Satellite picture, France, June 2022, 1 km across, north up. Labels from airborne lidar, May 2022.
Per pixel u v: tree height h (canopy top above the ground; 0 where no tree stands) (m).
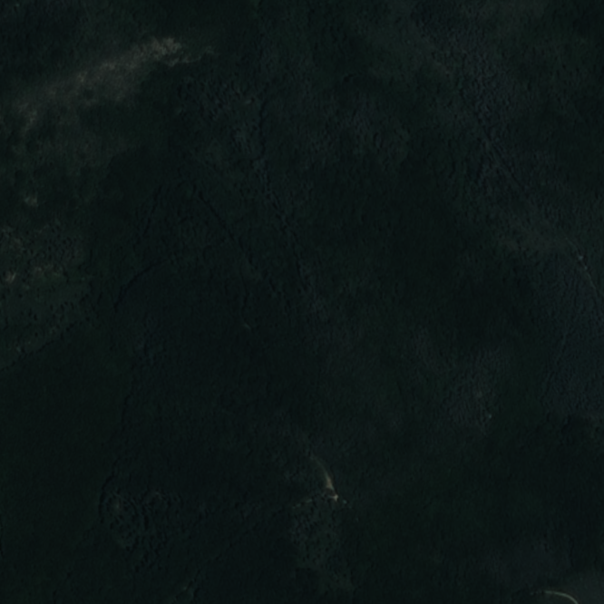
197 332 28
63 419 26
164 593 19
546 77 12
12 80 15
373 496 12
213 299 13
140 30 7
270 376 17
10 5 15
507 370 19
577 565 15
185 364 24
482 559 7
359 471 14
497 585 8
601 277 9
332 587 8
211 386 24
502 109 16
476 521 18
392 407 13
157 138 23
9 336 16
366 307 13
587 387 11
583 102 18
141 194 22
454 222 17
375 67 7
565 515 18
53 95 0
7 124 11
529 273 13
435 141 14
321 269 14
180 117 15
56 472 27
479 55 13
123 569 24
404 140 16
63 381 23
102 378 23
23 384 20
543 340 18
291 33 13
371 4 9
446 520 14
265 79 18
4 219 20
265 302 10
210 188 23
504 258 9
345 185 23
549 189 14
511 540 11
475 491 23
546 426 19
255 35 19
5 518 20
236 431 18
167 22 14
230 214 23
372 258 20
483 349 17
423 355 23
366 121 16
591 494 16
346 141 21
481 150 13
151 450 23
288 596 14
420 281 23
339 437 14
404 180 20
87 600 17
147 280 29
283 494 15
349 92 28
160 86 14
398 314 13
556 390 18
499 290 29
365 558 14
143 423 29
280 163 23
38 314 14
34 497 25
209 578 17
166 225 11
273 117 20
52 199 18
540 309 14
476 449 15
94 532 22
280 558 15
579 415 14
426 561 12
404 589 16
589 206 12
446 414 17
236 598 18
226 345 25
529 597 12
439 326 14
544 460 13
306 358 15
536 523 16
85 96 8
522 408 25
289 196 16
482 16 16
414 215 24
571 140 22
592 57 6
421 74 13
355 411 11
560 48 8
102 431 16
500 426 21
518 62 12
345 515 10
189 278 11
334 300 8
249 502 16
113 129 16
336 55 25
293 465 14
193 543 16
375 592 14
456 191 17
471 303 22
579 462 21
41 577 26
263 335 14
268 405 22
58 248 19
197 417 20
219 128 7
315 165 16
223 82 18
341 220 17
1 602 32
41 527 23
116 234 10
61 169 9
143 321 13
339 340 16
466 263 17
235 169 8
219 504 22
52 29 17
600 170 13
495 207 8
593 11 21
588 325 7
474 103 8
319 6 11
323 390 14
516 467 25
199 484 16
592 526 19
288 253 7
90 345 28
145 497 22
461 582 20
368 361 12
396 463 13
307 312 18
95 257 23
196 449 23
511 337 21
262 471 19
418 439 12
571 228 7
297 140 16
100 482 25
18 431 23
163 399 28
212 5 26
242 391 20
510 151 16
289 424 17
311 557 10
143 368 21
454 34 11
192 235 10
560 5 9
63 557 20
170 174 24
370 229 20
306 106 20
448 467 11
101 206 21
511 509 13
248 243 23
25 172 6
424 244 24
